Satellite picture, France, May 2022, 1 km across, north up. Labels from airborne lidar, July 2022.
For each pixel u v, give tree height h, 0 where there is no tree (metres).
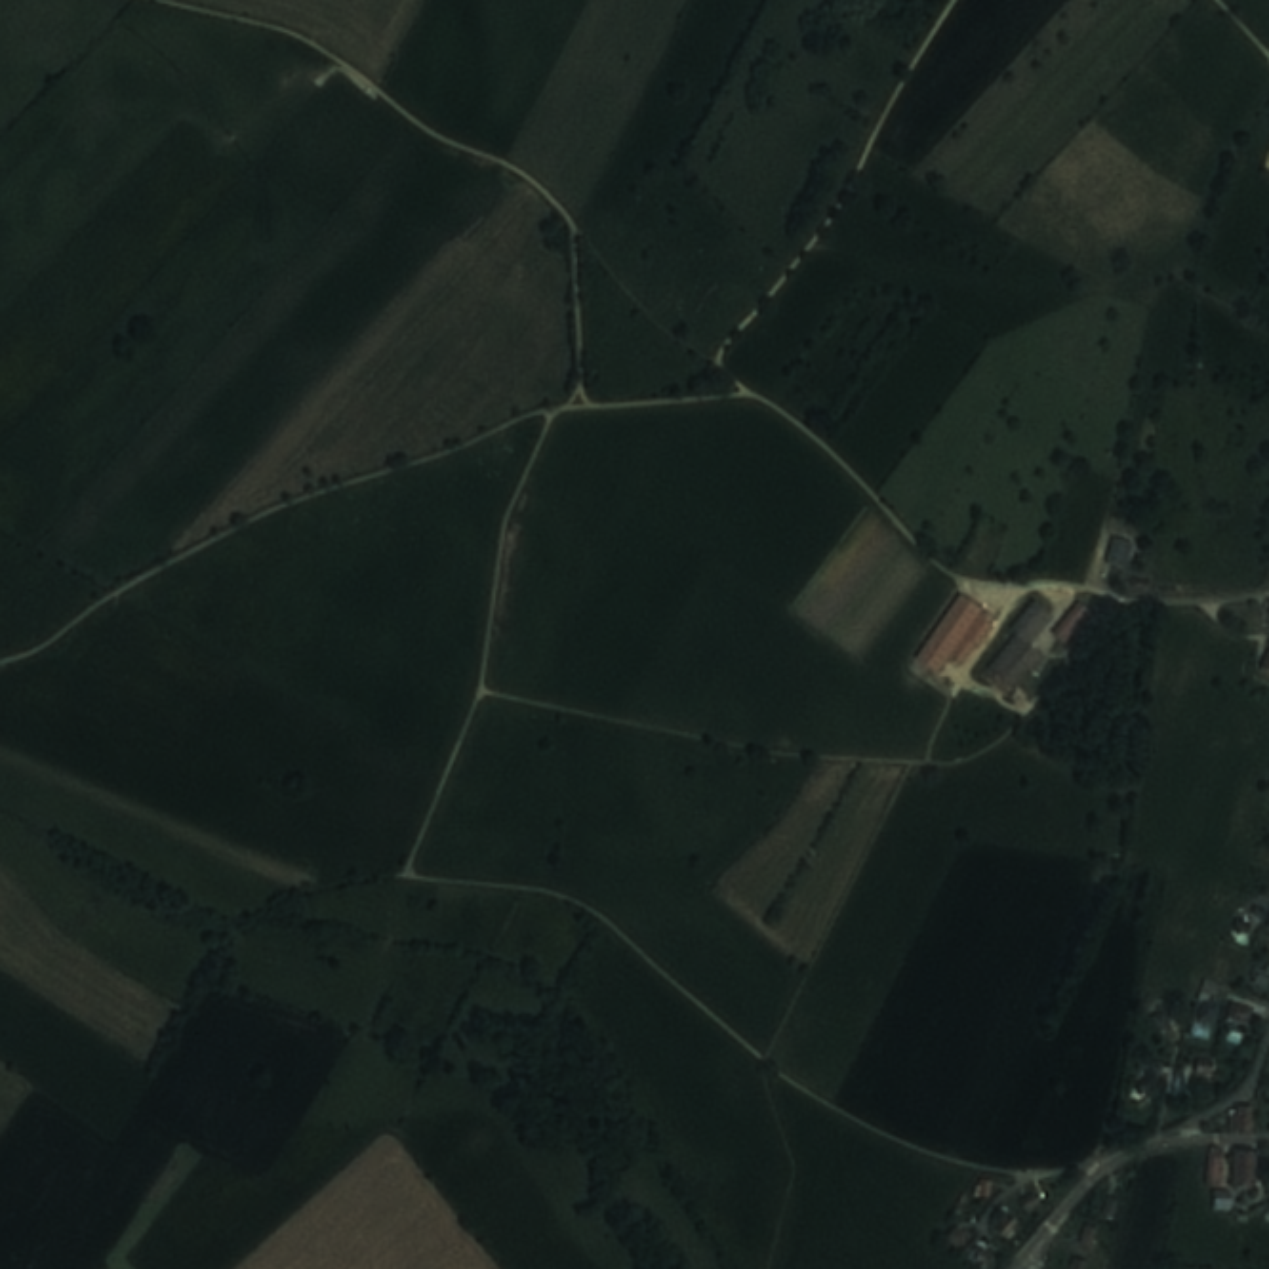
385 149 0
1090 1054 0
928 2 7
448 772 0
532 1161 0
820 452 0
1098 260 0
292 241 0
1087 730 36
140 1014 0
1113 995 0
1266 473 8
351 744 0
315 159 0
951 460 0
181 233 0
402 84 0
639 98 0
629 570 0
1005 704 0
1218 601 0
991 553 0
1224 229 0
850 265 0
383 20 0
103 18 0
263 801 0
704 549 0
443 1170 0
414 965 0
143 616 0
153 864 0
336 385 0
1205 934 0
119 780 0
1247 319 21
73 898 0
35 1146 0
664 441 0
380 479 0
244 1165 0
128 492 0
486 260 0
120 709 0
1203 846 0
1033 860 0
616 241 0
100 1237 0
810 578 0
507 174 0
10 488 0
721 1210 0
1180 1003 19
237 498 0
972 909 0
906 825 0
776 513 0
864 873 0
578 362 8
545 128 0
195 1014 10
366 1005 0
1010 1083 0
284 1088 0
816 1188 0
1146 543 15
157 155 0
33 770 0
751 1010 0
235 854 0
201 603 0
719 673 0
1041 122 0
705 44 0
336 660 0
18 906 0
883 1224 0
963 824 0
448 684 0
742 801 0
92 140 0
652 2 0
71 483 0
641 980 0
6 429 0
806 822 0
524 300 0
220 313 0
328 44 0
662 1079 0
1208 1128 7
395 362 0
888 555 0
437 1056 14
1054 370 0
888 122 0
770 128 0
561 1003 17
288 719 0
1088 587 0
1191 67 0
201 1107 0
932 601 0
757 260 0
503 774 0
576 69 0
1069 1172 9
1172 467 0
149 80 0
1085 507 0
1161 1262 12
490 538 0
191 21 0
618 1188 21
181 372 0
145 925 0
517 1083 18
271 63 0
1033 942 0
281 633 0
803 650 0
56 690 0
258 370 0
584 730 0
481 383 0
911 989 0
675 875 0
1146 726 27
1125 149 0
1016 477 7
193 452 0
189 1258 0
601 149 0
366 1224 0
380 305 0
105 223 0
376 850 0
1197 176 0
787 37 0
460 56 0
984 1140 0
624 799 0
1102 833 10
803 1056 0
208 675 0
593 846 0
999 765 0
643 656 0
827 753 0
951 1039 0
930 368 0
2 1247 0
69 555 0
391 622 0
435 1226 0
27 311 0
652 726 0
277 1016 0
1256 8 0
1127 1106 11
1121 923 0
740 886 0
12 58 0
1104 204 0
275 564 0
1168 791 0
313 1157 0
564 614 0
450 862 0
